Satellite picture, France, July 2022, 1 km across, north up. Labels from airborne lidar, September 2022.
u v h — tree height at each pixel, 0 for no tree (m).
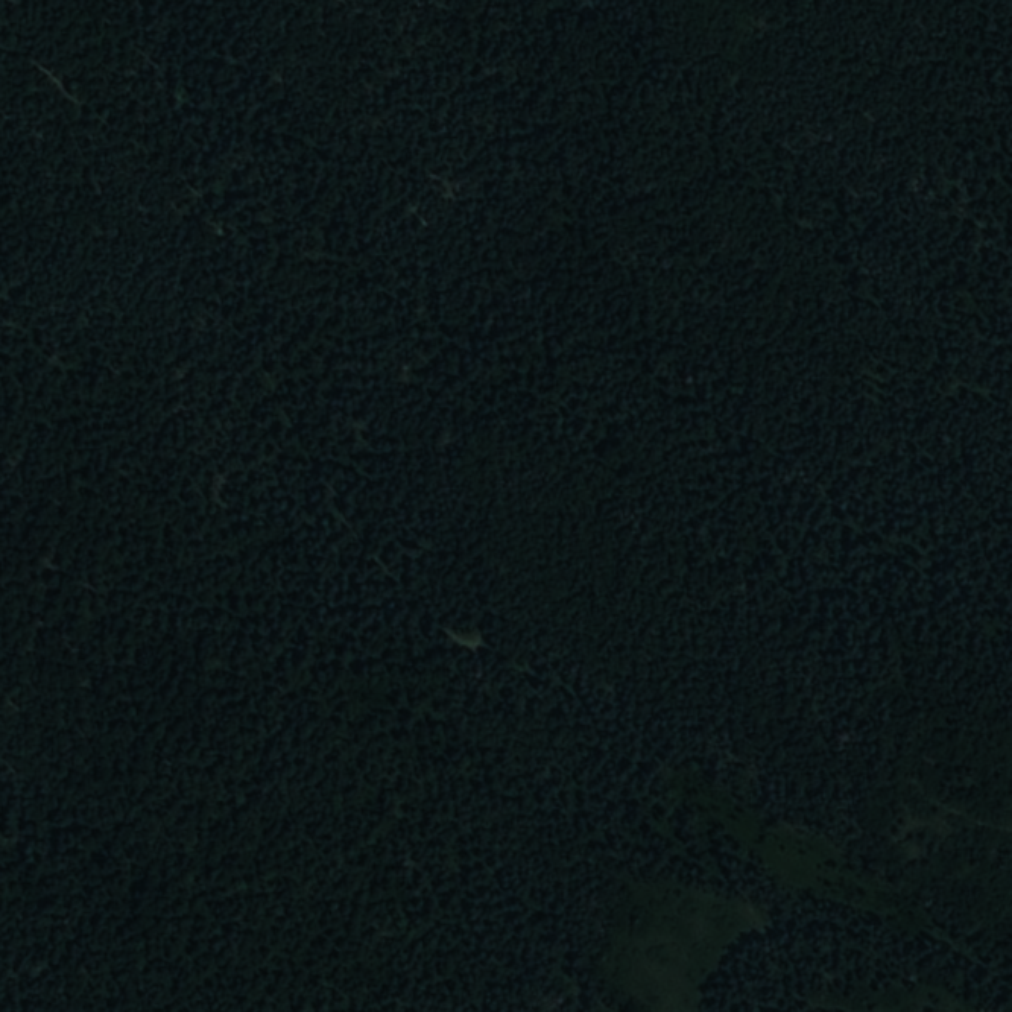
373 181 24
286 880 6
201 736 24
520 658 21
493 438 18
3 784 8
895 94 19
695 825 28
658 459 19
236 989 18
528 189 13
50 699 14
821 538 31
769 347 12
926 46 17
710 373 30
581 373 27
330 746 20
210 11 31
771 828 21
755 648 27
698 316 26
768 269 16
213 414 21
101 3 21
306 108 23
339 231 21
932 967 27
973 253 27
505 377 6
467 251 24
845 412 22
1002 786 6
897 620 24
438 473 20
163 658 18
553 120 32
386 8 15
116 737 17
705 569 28
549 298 32
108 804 19
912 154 24
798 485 21
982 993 9
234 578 25
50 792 15
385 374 14
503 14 21
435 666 17
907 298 23
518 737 20
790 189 22
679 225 26
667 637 20
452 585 25
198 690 23
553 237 25
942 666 24
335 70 21
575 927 31
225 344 26
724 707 30
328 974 13
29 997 10
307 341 26
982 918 7
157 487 17
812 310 15
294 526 38
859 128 20
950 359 33
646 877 16
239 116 10
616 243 14
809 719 16
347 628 20
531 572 18
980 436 28
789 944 14
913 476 31
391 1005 15
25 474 20
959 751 6
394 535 34
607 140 23
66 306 18
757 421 28
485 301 27
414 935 24
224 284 22
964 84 18
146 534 20
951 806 8
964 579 40
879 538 7
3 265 18
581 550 19
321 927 21
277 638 23
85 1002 15
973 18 25
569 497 17
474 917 30
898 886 30
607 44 32
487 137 21
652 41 24
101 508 21
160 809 11
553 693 29
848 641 38
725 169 20
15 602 25
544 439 30
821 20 13
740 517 31
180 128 19
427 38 20
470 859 29
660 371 29
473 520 22
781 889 25
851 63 16
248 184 16
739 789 30
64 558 22
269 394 7
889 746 7
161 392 17
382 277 18
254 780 7
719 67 19
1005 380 26
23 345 22
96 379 25
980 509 14
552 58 24
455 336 37
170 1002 23
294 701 21
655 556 21
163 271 17
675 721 33
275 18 15
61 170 20
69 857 24
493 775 24
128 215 19
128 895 8
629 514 21
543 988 28
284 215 22
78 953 22
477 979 23
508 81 26
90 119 20
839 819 10
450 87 20
